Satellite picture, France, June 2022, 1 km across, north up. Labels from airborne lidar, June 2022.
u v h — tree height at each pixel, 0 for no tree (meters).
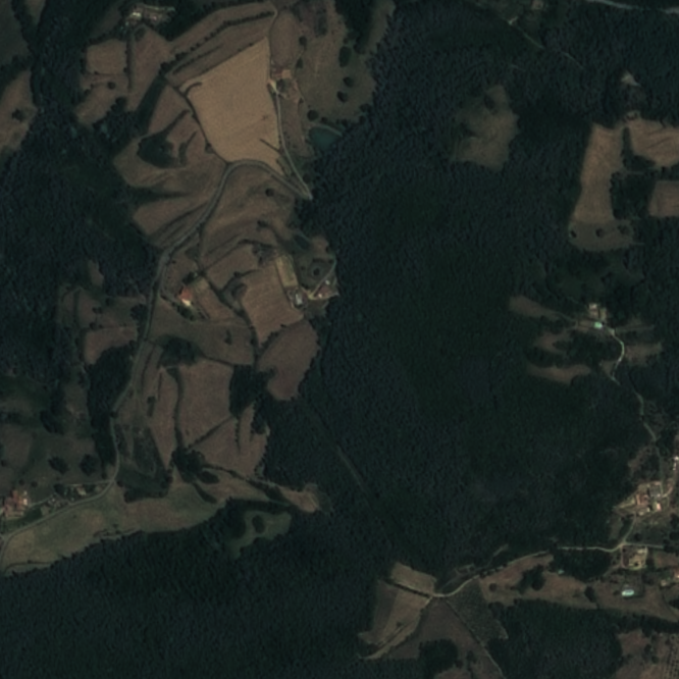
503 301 15
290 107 0
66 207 19
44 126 9
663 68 30
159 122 0
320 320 12
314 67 0
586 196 0
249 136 0
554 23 0
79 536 0
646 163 8
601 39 15
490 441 12
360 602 19
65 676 17
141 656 21
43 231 13
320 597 14
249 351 0
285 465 8
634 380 12
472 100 8
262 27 0
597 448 8
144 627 21
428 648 9
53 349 11
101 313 8
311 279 0
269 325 0
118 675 15
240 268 0
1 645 18
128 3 8
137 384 0
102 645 20
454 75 16
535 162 16
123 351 9
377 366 16
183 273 0
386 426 10
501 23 10
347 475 13
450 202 14
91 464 21
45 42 14
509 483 10
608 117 20
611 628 11
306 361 0
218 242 0
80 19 11
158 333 0
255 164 0
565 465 10
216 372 0
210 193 0
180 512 0
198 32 0
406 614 0
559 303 9
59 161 17
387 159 18
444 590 0
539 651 9
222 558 18
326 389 13
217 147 0
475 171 12
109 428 7
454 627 0
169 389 0
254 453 0
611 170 0
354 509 9
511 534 12
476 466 10
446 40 6
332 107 0
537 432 10
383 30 0
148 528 0
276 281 0
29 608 19
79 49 10
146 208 0
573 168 8
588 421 11
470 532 12
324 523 14
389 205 14
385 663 12
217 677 15
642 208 11
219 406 0
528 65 19
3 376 8
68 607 17
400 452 18
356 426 17
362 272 15
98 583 18
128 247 7
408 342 12
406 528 14
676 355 10
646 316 8
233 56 0
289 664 8
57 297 13
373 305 18
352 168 20
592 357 6
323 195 28
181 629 19
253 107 0
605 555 5
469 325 13
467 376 13
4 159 0
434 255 15
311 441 10
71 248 14
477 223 20
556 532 11
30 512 0
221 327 0
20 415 6
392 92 18
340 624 18
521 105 11
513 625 9
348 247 15
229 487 0
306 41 11
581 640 12
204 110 0
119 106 11
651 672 0
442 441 19
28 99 0
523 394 15
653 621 13
